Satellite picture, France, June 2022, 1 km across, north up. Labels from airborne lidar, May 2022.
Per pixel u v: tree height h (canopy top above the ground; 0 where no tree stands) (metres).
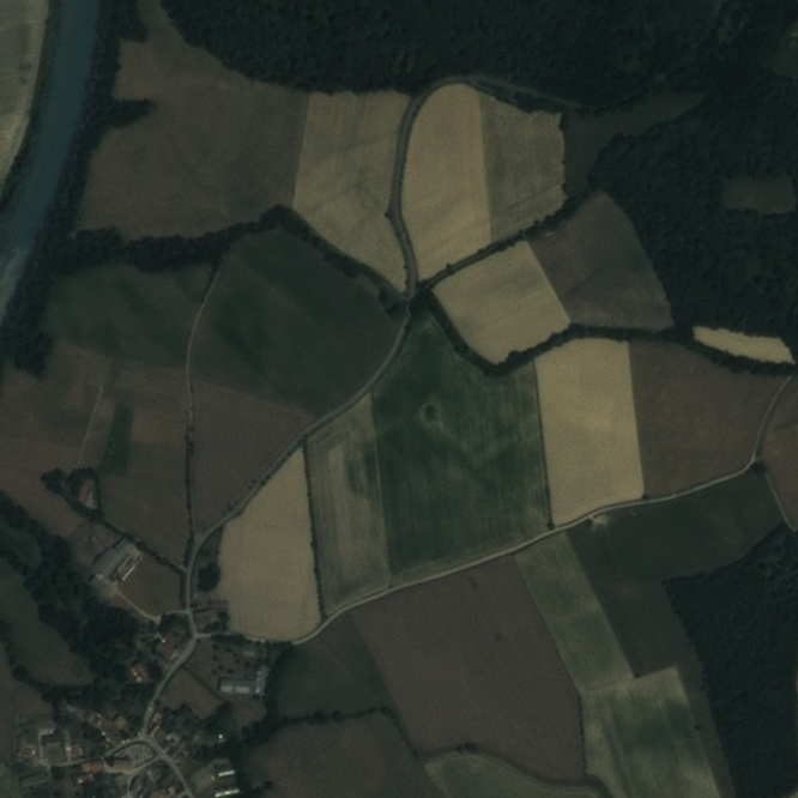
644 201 19
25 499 0
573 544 0
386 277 0
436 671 0
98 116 24
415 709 0
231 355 0
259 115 0
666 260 21
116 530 13
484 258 0
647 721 0
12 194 16
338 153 0
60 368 0
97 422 0
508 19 22
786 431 0
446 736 0
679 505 0
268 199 0
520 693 0
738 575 19
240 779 13
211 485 0
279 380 0
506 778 0
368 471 0
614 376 0
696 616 17
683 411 0
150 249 20
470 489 0
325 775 0
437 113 0
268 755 0
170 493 0
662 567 0
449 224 0
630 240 0
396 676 0
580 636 0
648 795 0
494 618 0
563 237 0
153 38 0
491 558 0
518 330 0
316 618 0
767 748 22
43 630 0
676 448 0
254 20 27
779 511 0
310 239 9
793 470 0
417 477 0
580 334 11
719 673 16
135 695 14
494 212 0
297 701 0
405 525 0
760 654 21
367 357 0
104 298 0
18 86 0
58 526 0
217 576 14
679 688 0
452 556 0
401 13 27
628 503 0
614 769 0
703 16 26
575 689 0
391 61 7
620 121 0
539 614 0
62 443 0
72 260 18
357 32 19
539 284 0
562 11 24
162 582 0
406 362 0
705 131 26
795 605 18
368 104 0
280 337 0
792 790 12
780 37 8
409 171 0
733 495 0
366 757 0
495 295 0
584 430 0
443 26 24
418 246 0
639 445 0
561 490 0
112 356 0
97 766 0
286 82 19
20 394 0
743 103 18
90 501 0
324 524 0
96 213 0
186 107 0
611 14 29
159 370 0
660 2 21
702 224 21
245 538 0
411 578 0
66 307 0
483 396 0
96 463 0
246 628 0
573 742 0
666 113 0
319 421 0
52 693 11
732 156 21
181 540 0
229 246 7
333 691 0
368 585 0
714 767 0
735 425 0
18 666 10
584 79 25
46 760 0
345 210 0
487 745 0
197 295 0
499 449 0
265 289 0
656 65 17
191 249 16
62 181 8
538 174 0
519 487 0
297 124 0
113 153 0
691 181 19
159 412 0
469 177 0
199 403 0
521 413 0
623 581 0
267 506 0
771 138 24
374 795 0
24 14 0
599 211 0
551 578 0
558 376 0
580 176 0
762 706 20
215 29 18
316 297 0
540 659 0
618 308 0
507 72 18
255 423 0
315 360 0
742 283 12
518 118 0
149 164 0
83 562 0
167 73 0
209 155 0
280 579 0
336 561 0
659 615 0
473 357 9
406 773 0
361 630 0
